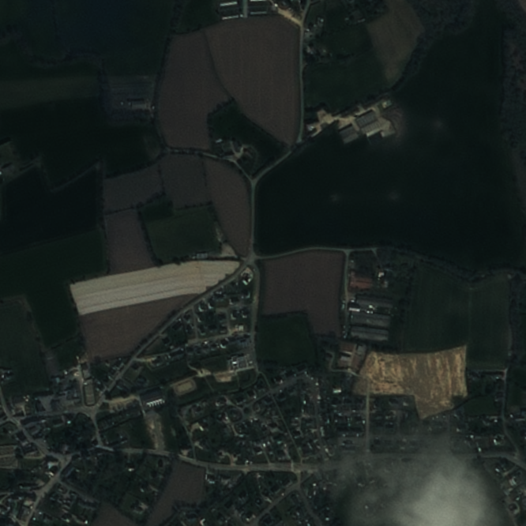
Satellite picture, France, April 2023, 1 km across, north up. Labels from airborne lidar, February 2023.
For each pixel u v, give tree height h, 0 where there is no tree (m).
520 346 11
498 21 0
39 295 0
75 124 0
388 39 0
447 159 0
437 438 0
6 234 0
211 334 0
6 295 0
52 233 0
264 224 0
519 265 0
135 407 14
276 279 0
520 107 10
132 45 0
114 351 0
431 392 0
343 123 0
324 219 0
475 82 0
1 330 0
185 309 0
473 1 13
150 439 0
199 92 0
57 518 0
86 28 0
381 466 0
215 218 0
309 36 0
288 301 0
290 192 0
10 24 0
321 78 0
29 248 0
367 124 0
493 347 0
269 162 8
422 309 0
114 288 0
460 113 0
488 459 0
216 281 0
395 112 0
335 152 0
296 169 0
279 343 0
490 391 11
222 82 0
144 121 12
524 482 0
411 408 0
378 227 0
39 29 0
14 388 0
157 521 0
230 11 0
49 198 0
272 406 7
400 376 0
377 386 0
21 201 0
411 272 9
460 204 0
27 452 0
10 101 0
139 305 0
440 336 0
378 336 0
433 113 0
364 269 6
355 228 0
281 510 0
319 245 0
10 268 0
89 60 14
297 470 0
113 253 0
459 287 0
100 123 0
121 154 0
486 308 0
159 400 0
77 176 7
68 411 0
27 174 0
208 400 12
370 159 0
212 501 16
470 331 0
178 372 0
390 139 0
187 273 0
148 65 0
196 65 0
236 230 0
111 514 0
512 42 10
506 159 0
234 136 0
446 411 0
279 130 0
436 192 0
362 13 0
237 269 0
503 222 0
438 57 0
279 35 0
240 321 0
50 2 13
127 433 0
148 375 0
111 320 0
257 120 0
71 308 0
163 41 0
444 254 0
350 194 0
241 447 7
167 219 0
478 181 0
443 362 0
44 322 0
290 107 0
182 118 0
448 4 14
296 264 0
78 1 0
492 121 0
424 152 0
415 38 0
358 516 0
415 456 0
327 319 0
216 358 0
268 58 0
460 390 0
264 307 0
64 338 0
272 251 0
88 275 0
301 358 0
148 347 0
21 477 16
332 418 6
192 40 0
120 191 0
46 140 0
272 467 0
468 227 0
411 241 0
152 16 0
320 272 0
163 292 0
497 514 0
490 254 0
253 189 0
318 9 0
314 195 0
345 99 0
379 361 0
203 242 0
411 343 0
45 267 0
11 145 8
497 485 5
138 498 0
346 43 0
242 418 0
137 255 0
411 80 0
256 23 0
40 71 0
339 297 0
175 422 9
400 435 0
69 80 0
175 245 0
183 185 0
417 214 0
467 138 0
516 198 0
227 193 0
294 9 8
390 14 0
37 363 0
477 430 9
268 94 0
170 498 0
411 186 0
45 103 0
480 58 0
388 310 0
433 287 0
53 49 0
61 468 0
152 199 9
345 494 0
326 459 0
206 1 0
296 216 0
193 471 0
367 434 0
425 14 11
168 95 0
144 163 0
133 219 0
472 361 0
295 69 0
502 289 0
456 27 18
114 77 0
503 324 0
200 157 9
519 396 0
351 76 0
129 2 0
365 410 0
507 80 12
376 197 0
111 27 0
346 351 0
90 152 0
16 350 0
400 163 0
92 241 0
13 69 0
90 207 0
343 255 0
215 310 0
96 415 0
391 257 15
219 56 0
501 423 11
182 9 9
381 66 0
